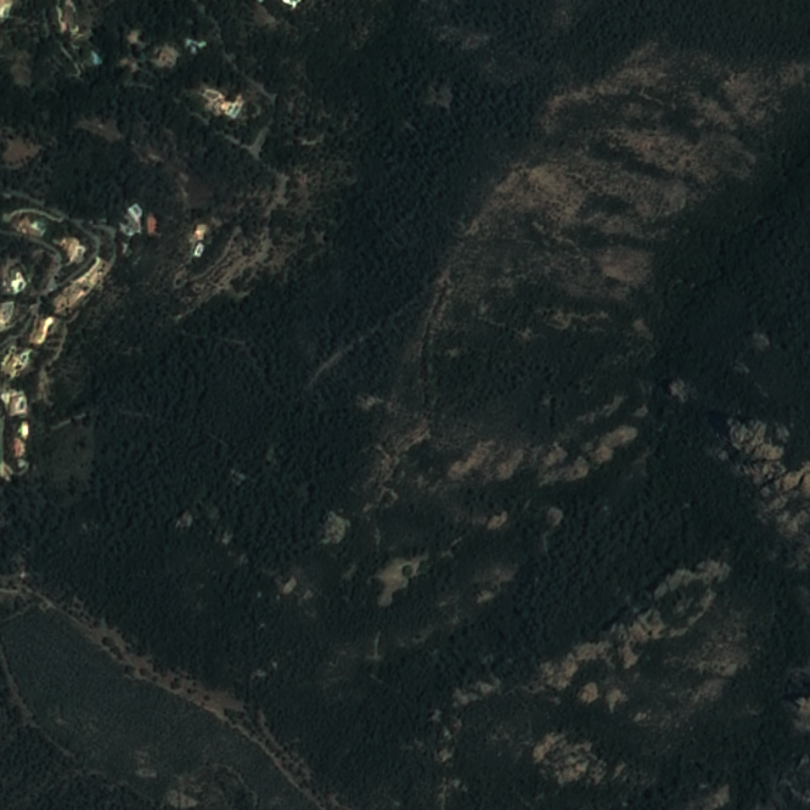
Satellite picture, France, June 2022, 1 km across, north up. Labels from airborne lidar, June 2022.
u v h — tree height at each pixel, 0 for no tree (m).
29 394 8
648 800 12
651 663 9
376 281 7
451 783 8
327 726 8
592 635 10
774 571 7
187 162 9
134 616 8
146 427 13
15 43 10
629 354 15
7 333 7
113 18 10
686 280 13
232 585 17
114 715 6
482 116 15
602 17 16
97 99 19
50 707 9
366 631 11
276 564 9
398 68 7
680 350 12
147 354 20
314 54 14
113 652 9
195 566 6
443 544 7
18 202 7
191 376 16
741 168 8
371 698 11
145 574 8
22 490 15
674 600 7
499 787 6
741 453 18
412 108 6
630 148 7
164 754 6
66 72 11
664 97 9
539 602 20
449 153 15
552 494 14
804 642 9
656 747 7
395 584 0
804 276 11
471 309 10
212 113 10
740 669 6
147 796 6
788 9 12
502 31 15
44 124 16
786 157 15
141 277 7
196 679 11
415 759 9
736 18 5
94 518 8
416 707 10
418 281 10
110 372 9
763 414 7
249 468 6
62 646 6
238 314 7
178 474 21
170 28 18
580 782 10
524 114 16
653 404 12
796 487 9
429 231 13
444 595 7
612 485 8
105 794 11
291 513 23
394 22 13
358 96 15
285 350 16
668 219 7
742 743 12
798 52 16
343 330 14
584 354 7
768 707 6
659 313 8
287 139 20
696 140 8
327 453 18
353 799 7
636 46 15
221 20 19
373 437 11
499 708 9
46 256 10
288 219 6
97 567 13
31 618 8
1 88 16
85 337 12
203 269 6
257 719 10
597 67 10
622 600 5
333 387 9
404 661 15
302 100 8
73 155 21
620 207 7
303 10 8
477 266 11
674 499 11
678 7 13
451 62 9
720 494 9
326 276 7
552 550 6
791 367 14
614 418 10
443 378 12
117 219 10
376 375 14
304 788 10
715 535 9
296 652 11
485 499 19
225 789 9
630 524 23
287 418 20
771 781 8
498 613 6
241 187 12
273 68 11
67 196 8
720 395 9
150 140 13
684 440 10
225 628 9
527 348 12
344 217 18
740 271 11
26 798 10
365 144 14
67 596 7
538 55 12
